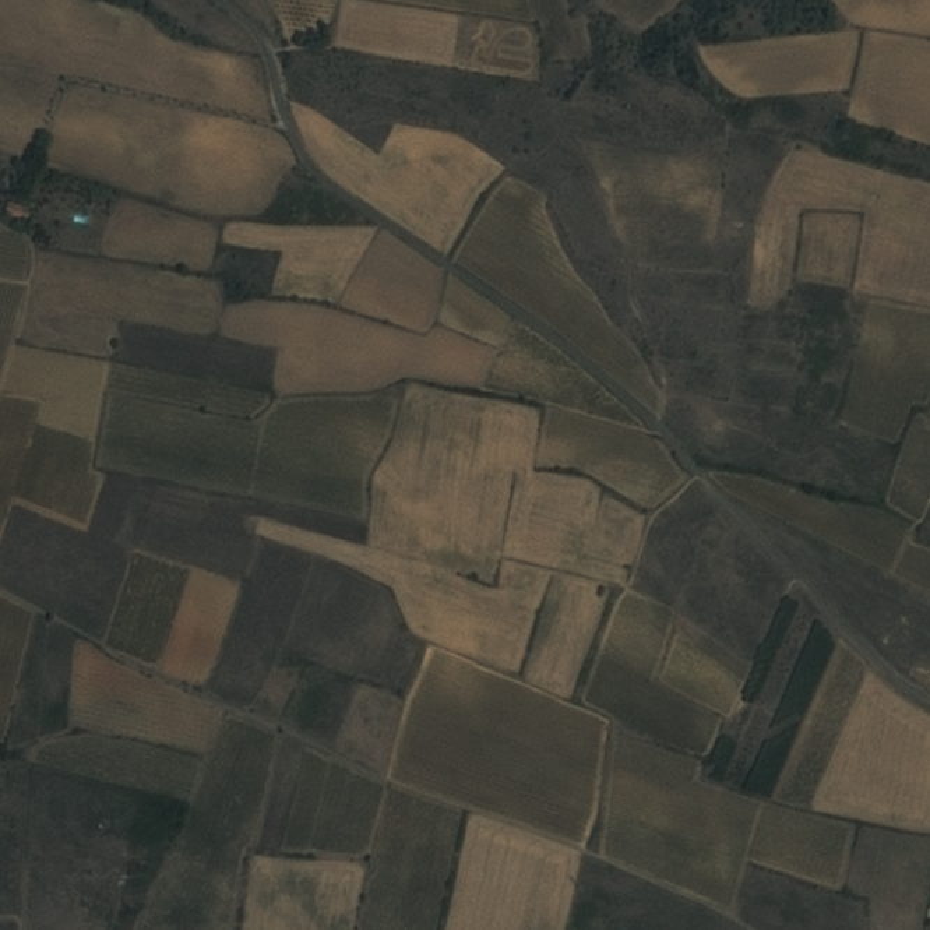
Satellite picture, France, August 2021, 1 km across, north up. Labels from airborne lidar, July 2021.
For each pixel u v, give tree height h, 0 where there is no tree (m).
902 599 0
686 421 0
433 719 0
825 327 0
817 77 0
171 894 0
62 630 0
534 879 0
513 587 0
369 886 0
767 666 6
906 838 0
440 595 0
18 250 0
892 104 0
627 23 0
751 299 0
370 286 0
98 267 0
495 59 0
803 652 7
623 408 0
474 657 0
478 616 0
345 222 0
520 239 0
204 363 0
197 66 0
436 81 0
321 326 0
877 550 0
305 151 0
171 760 0
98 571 0
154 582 0
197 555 0
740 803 0
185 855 0
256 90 0
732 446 0
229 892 0
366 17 0
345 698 0
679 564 0
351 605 0
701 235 0
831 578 0
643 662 0
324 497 0
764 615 0
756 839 0
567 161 0
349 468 0
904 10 0
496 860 0
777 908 0
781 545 0
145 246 0
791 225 0
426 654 0
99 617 0
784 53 0
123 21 0
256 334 0
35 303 0
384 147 0
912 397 0
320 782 0
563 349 0
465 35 0
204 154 0
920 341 0
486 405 0
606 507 0
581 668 0
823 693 0
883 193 0
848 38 0
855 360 0
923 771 0
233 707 0
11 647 0
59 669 0
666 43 7
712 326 0
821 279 0
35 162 21
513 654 0
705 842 0
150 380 0
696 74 7
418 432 0
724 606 0
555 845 0
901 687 0
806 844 0
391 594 0
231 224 0
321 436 0
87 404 0
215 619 0
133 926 0
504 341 0
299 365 0
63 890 0
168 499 0
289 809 0
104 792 0
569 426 0
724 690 0
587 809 0
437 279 0
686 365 0
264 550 0
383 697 0
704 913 0
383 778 0
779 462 0
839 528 0
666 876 0
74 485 0
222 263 0
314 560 0
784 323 0
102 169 0
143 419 0
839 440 0
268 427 0
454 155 0
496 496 0
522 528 0
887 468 0
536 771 0
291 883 0
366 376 0
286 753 0
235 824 0
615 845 0
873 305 0
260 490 0
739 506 0
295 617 0
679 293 0
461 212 0
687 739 0
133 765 0
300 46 12
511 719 0
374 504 0
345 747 0
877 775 0
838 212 0
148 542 0
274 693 0
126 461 0
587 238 0
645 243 0
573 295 0
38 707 0
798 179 0
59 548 0
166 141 0
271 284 0
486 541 0
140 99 0
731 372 0
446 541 0
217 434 0
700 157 0
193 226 0
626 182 0
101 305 0
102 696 0
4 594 0
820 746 0
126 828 0
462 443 0
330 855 0
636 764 0
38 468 0
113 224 0
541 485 0
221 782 0
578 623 0
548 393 0
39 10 0
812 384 0
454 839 0
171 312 0
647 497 0
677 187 0
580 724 0
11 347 0
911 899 0
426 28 0
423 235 0
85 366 0
